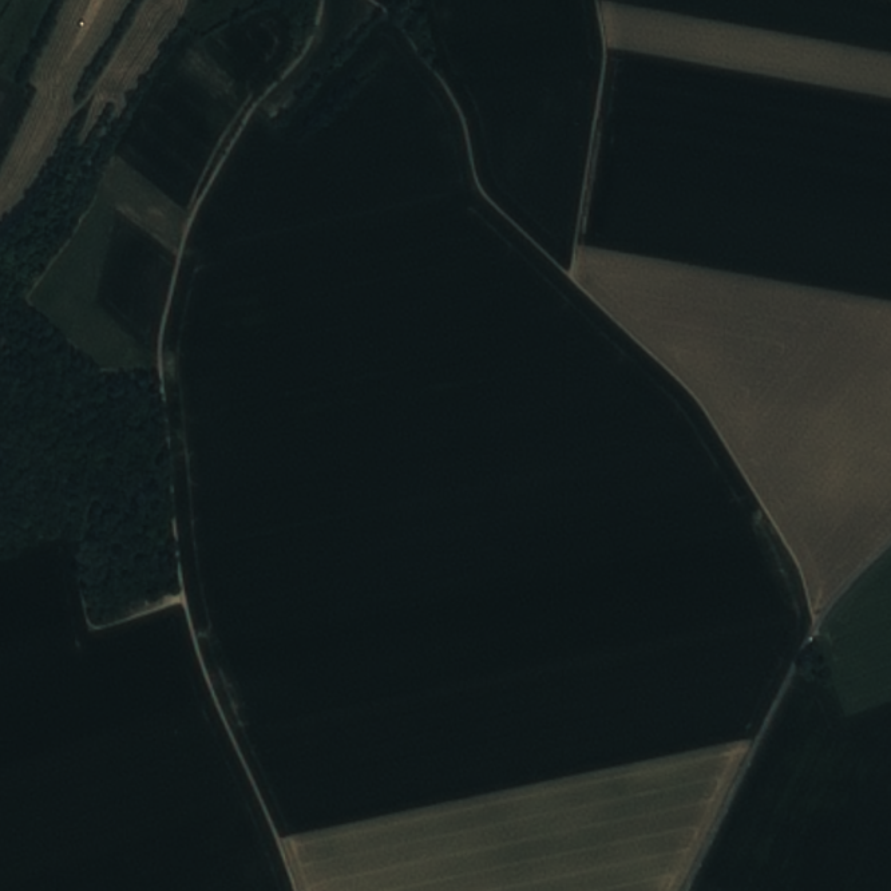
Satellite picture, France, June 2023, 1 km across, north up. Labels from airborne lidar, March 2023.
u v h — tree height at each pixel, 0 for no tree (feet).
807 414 0
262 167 0
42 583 0
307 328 0
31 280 26
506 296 0
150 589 60
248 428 0
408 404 0
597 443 0
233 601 0
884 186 0
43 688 0
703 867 0
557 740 0
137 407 83
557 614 0
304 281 0
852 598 0
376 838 0
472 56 0
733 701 0
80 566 58
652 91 0
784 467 0
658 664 0
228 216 0
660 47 0
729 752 0
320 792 0
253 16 0
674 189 0
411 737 0
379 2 0
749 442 0
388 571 0
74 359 54
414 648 0
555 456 0
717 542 0
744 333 0
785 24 0
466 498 0
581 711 0
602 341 0
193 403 0
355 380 0
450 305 0
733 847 0
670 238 0
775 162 0
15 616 0
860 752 0
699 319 0
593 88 0
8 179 0
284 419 0
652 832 0
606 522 0
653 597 0
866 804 0
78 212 19
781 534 0
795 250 0
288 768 0
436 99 0
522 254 0
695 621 0
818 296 0
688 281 0
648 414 0
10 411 69
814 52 0
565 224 0
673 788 0
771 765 0
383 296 0
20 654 0
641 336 0
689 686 0
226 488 0
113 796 0
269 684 0
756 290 0
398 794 0
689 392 0
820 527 0
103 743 0
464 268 0
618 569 0
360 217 0
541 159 0
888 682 0
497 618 0
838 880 0
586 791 0
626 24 0
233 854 0
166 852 0
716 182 0
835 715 0
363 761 0
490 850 0
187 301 0
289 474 0
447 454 0
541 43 0
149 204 0
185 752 0
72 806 0
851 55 0
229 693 0
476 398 0
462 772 0
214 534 0
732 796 0
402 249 0
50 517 65
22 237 43
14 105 0
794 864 0
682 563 0
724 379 0
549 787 0
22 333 66
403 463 0
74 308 0
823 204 0
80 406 86
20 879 0
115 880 0
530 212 0
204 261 0
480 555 0
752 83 0
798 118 0
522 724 0
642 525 0
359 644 0
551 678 0
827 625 0
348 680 0
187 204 0
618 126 0
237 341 0
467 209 0
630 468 0
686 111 0
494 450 0
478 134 0
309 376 0
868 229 0
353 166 0
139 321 0
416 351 0
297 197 0
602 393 0
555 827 0
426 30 29
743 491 0
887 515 0
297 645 0
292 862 0
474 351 0
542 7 0
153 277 0
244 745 0
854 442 0
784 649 0
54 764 0
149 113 0
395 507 0
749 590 0
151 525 59
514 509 0
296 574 0
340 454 0
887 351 0
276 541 0
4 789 0
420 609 0
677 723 0
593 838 0
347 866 0
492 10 0
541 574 0
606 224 0
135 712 0
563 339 0
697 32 0
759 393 0
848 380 0
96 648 0
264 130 0
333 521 0
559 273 0
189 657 0
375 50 0
